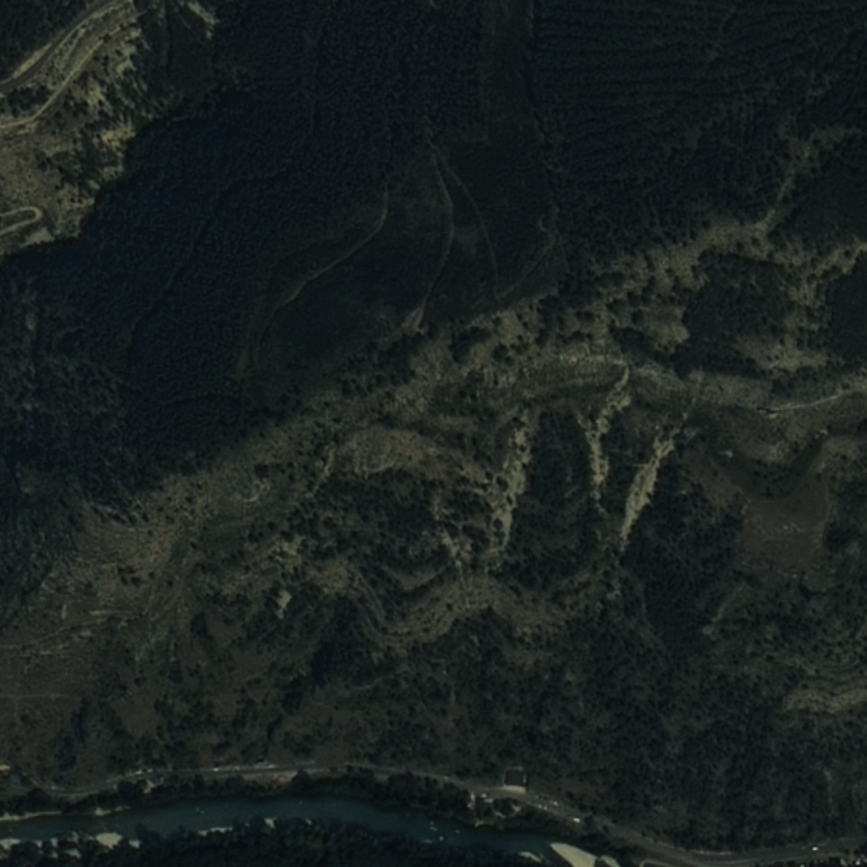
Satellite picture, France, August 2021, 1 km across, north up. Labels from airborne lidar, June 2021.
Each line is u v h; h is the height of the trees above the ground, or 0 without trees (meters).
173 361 23
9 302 14
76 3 12
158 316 22
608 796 6
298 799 0
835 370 12
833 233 13
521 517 8
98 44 0
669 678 9
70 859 13
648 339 8
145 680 6
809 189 20
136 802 28
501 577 10
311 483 9
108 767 6
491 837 0
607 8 10
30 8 15
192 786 8
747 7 12
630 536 10
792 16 11
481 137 26
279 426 6
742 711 10
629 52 12
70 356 19
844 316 20
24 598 6
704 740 10
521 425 8
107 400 11
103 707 9
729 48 11
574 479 9
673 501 8
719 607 7
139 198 12
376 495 10
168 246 23
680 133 13
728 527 6
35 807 15
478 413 6
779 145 7
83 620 0
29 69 0
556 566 10
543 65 17
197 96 21
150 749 11
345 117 28
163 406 18
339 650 7
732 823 12
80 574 0
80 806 14
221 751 11
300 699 6
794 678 10
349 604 10
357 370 12
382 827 0
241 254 24
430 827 0
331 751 0
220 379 24
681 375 17
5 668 0
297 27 24
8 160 0
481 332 14
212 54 24
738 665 12
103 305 22
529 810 8
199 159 23
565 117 18
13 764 8
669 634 11
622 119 17
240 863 14
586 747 7
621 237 7
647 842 0
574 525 8
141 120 6
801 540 0
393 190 25
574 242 12
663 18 12
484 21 23
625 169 14
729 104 11
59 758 7
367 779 15
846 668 0
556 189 19
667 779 8
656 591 14
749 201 7
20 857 19
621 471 8
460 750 7
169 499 6
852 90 10
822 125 7
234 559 9
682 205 9
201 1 21
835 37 12
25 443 16
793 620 11
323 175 24
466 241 0
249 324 24
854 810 11
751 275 18
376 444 0
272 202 28
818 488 0
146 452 11
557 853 0
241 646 6
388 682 10
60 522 0
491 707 7
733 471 0
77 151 8
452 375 0
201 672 10
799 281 13
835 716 17
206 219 22
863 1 11
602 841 7
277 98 25
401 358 18
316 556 12
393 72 27
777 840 13
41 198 0
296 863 12
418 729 9
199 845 7
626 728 8
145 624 0
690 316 18
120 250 15
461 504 13
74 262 18
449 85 23
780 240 15
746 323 16
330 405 8
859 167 24
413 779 15
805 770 13
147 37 16
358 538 14
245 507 0
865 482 6
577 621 10
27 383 8
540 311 13
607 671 6
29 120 0
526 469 13
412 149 25
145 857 9
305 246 30
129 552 0
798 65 11
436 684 12
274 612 13
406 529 7
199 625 8
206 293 24
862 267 20
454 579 8
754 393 0
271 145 29
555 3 14
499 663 9
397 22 23
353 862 17
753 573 7
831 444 0
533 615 0
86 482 12
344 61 24
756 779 15
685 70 14
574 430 6
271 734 18
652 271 8
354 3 28
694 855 0
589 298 13
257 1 25
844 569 7
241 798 0
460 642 7
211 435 15
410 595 7
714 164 8
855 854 9
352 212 26
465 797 11
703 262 13
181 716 7
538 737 8
